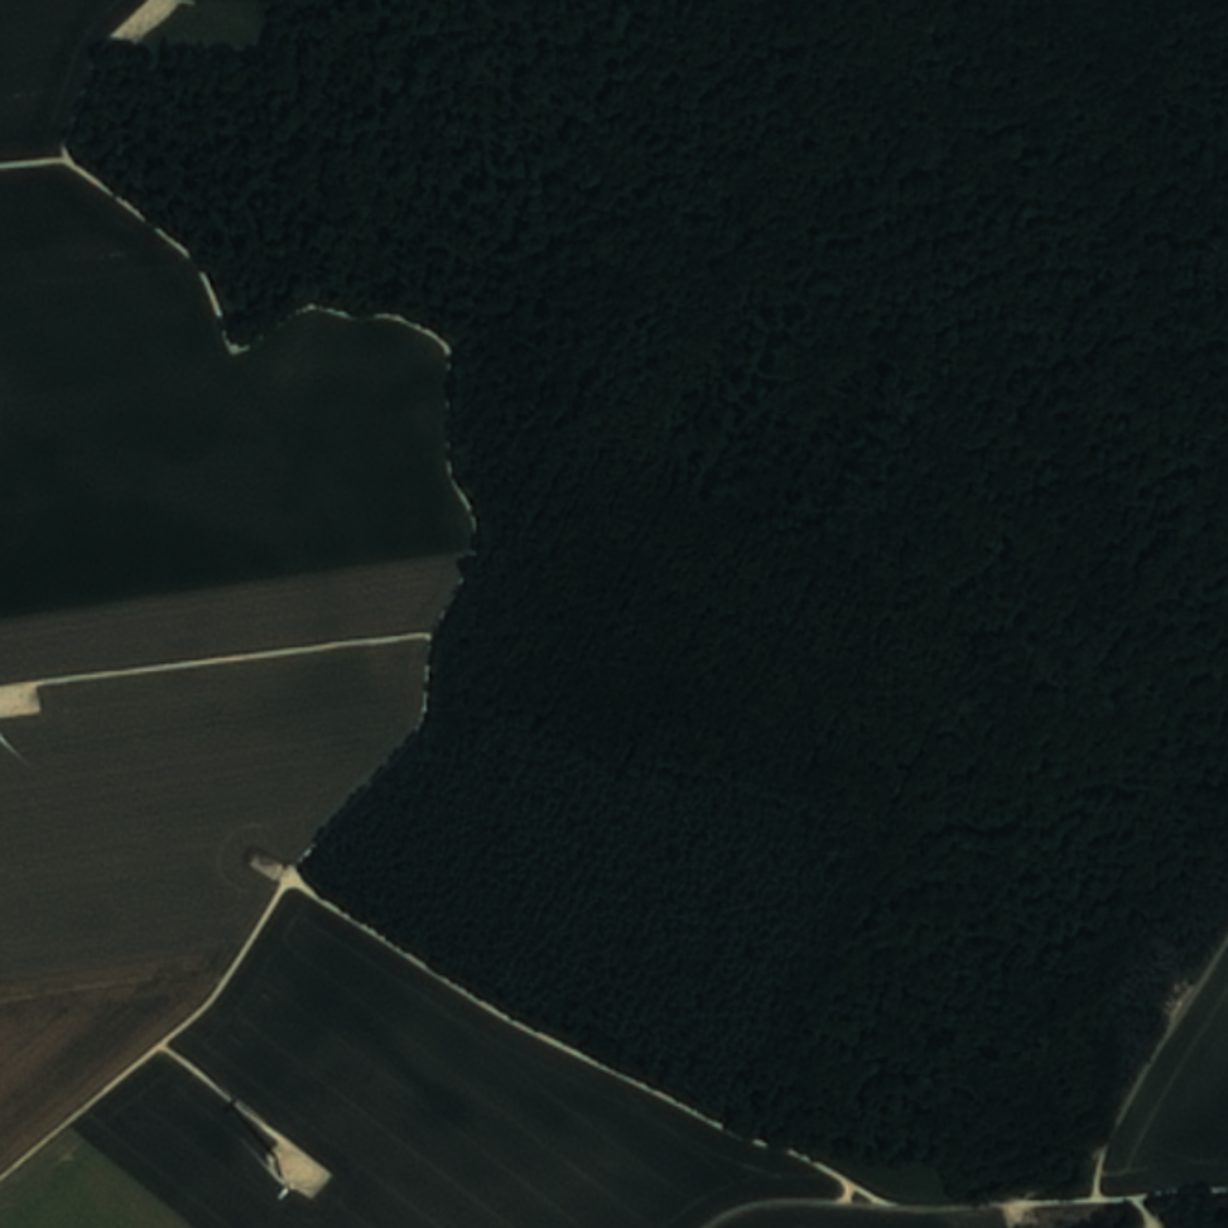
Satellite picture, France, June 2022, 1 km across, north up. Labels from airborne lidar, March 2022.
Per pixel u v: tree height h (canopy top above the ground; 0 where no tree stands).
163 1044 0
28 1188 0
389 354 0
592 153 20
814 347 22
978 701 21
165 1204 0
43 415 0
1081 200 22
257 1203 0
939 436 24
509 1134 0
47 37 0
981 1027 21
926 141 24
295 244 15
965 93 22
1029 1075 21
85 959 0
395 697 0
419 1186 0
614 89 22
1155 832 17
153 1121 0
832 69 20
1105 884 19
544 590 15
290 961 0
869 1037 21
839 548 22
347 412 0
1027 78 21
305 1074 0
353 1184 0
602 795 24
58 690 0
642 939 25
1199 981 0
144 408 0
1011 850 22
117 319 0
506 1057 0
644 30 21
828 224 20
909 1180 0
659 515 13
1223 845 16
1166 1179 0
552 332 18
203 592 0
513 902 26
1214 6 25
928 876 14
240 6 0
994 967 13
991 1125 16
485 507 13
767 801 23
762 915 24
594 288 26
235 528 0
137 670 0
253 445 0
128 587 0
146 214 14
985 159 21
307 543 0
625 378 19
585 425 13
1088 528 22
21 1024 0
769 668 16
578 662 17
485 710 18
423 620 0
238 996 0
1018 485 19
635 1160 0
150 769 0
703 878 23
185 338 0
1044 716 22
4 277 0
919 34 21
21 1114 0
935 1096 24
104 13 0
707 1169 0
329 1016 0
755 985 25
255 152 22
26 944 0
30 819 0
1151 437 19
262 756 0
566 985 24
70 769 0
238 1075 0
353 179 21
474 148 19
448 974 12
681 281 20
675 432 19
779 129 22
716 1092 25
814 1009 19
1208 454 22
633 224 24
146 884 0
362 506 0
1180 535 23
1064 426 28
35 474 0
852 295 21
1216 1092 0
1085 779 17
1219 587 19
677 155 20
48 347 0
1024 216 19
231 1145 0
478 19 20
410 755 13
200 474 0
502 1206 0
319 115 13
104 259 0
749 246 21
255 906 0
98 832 0
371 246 11
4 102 0
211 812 0
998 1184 21
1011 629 23
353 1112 0
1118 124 23
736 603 16
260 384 0
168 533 0
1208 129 26
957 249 22
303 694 0
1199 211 24
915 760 18
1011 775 19
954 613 19
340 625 0
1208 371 22
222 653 0
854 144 25
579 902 26
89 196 0
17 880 0
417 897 27
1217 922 13
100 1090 0
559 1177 0
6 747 0
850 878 19
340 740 0
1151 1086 0
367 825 22
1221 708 13
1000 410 21
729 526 14
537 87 20
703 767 18
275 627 0
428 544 0
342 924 0
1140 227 26
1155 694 17
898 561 19
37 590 0
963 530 24
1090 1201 0
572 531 14
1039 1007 21
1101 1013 21
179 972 0
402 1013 0
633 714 16
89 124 17
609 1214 0
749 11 19
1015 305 22
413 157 21
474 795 25
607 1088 0
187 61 21
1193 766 18
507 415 17
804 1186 0
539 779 22
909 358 24
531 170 22
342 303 13
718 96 21
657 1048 23
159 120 14
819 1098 20
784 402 20
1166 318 19
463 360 20
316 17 28
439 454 0
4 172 0
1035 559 23
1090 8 21
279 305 19
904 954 20
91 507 0
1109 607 22
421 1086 0
